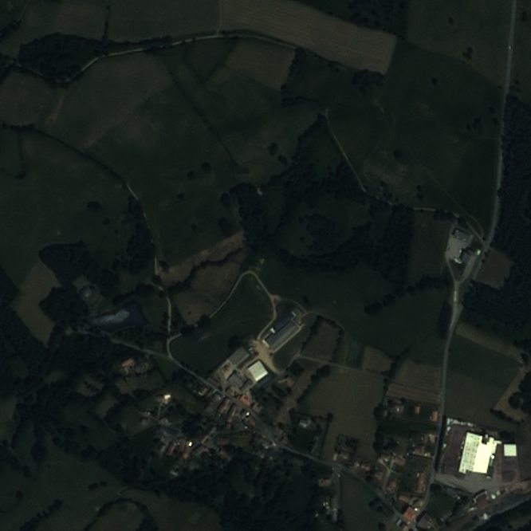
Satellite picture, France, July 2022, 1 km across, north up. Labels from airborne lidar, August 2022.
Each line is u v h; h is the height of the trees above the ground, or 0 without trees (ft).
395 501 33
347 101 0
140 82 0
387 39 0
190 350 0
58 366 64
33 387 66
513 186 71
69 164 0
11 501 0
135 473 68
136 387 0
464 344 0
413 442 0
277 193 0
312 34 0
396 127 0
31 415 66
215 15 0
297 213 0
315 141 0
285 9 0
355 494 0
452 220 41
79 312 35
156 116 0
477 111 0
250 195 64
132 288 0
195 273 25
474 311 63
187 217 0
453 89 0
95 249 0
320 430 23
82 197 0
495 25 0
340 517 31
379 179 0
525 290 83
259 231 43
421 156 0
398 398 0
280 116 0
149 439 0
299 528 20
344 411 0
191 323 0
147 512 49
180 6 0
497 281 0
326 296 0
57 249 66
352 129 0
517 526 0
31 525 48
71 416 0
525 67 0
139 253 52
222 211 0
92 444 0
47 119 0
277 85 0
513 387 0
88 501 0
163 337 26
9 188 0
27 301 0
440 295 0
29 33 0
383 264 55
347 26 0
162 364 0
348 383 0
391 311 0
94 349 72
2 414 0
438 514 0
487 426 0
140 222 44
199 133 0
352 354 0
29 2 0
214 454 45
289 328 0
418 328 0
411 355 0
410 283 0
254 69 0
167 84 0
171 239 0
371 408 0
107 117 0
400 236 30
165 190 0
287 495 21
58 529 0
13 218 0
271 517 30
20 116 0
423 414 0
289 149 0
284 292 0
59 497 0
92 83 0
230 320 0
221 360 0
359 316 0
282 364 0
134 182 0
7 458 62
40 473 0
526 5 0
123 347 32
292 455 49
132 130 0
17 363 0
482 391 0
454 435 0
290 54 0
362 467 0
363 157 0
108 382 62
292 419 29
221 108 0
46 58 55
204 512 0
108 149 0
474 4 0
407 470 0
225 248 0
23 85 0
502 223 52
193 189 0
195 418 62
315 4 0
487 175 0
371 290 0
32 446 0
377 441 38
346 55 0
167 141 0
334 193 30
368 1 59
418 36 0
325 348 0
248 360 0
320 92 0
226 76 0
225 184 0
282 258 59
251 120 0
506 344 0
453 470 0
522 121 89
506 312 79
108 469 21
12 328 72
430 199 0
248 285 0
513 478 0
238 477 0
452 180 0
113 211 0
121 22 0
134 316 0
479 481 0
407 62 0
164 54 0
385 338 0
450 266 0
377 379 0
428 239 0
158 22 0
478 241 0
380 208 66
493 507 0
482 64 0
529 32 0
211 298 0
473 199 0
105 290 56
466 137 0
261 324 0
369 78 52
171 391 0
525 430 0
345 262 30
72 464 0
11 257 0
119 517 0
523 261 61
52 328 0
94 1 0
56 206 0
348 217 0
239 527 69
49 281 0
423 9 0
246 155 0
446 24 0
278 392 44
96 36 0
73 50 59
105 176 0
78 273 66
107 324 0
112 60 0
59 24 0
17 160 0
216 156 0
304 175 51
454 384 0
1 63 23
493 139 0
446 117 0
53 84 55
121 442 49
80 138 0
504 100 0
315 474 40
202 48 0
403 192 0
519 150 86
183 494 57
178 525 0
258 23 0
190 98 0
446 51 0
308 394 42
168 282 0
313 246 24
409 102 0
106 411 0
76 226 0
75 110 0
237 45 0
